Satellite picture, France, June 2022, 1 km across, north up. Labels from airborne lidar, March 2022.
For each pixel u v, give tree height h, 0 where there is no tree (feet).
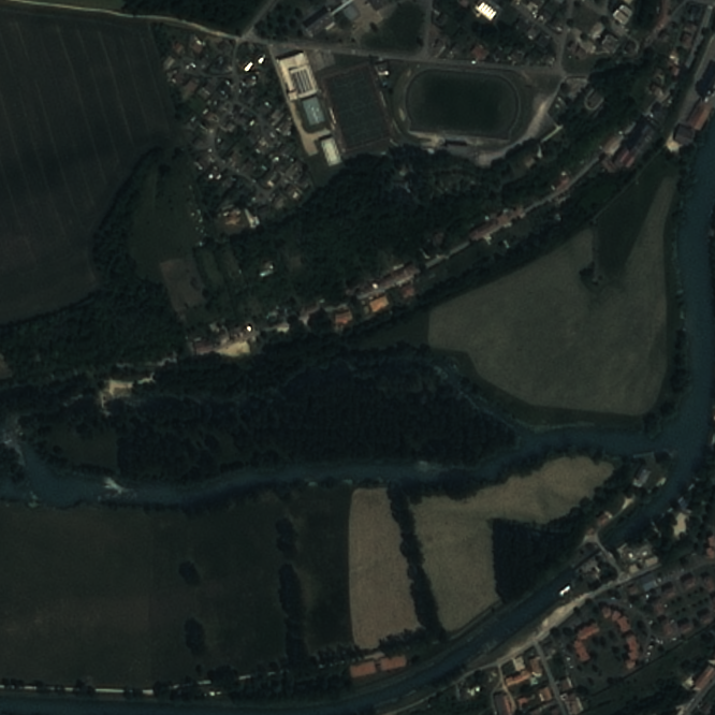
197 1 36
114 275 72
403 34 0
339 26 0
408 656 0
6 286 0
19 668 0
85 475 26
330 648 0
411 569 0
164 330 62
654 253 0
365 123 0
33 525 0
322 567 0
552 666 0
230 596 0
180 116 25
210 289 21
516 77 0
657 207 0
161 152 40
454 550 0
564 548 86
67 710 0
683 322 0
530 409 0
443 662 0
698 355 0
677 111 0
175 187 0
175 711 0
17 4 0
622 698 0
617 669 0
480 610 0
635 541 62
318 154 0
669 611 0
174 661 0
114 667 0
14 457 47
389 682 0
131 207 51
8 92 0
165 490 0
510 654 0
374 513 0
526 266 0
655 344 0
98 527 0
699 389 0
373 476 0
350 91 0
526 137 0
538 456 54
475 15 0
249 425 102
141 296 60
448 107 0
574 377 0
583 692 36
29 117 0
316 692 63
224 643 0
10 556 0
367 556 0
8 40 0
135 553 0
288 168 0
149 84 0
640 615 0
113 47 0
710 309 0
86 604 0
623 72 51
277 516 0
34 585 0
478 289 0
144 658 0
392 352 54
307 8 0
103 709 0
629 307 0
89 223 0
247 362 0
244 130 21
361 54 0
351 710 0
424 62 0
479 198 50
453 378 0
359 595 0
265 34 37
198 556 0
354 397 118
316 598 0
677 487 0
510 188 53
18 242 0
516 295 0
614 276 0
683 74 76
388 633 0
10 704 0
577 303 0
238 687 27
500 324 0
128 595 0
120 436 0
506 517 0
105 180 0
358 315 0
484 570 0
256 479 0
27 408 75
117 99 0
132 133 0
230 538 0
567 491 0
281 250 58
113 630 0
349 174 47
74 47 0
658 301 0
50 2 0
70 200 0
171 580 0
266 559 0
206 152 0
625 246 0
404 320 37
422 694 0
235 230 0
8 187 0
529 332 0
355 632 0
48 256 0
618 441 0
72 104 0
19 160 0
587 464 0
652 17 61
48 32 0
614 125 57
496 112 0
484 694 20
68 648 0
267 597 0
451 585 0
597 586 41
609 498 45
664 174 0
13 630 0
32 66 0
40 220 0
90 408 87
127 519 0
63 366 25
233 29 0
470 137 0
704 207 0
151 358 40
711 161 0
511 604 0
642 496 55
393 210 48
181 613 0
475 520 0
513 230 0
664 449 0
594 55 0
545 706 0
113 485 0
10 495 0
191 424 91
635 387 0
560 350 0
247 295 22
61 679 0
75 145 0
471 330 0
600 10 0
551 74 0
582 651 0
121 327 68
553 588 0
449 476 0
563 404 0
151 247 0
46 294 0
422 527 0
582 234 0
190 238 0
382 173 68
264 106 0
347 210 69
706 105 0
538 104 0
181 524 0
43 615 0
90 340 55
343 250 24
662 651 32
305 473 0
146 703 0
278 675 58
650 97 0
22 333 57
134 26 0
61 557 0
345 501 0
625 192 0
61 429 0
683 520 0
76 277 0
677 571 0
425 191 33
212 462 103
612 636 50
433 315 0
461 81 0
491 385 0
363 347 0
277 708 0
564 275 0
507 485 0
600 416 0
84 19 0
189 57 0
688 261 0
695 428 0
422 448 0
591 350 0
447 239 0
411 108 0
